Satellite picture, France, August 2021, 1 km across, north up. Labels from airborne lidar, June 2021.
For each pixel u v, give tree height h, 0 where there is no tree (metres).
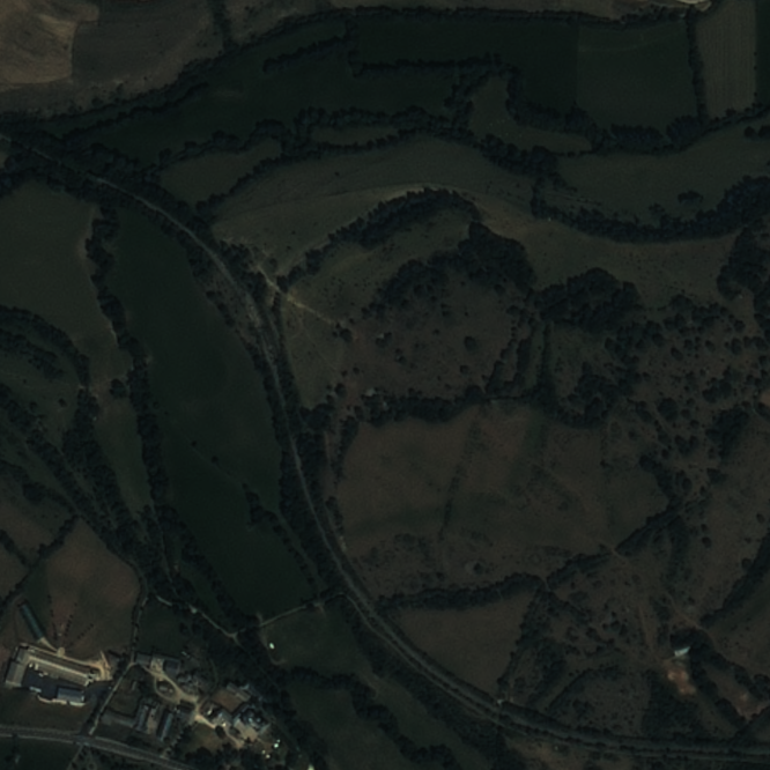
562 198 0
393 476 0
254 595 0
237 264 7
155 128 0
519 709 9
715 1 7
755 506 0
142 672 6
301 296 0
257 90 0
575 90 0
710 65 0
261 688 11
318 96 0
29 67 0
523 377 9
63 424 0
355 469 0
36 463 0
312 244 0
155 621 0
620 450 0
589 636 6
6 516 0
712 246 0
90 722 9
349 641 0
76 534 0
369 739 0
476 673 0
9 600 7
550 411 8
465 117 14
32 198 0
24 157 18
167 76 0
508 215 0
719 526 0
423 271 10
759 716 7
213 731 0
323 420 8
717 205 0
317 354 0
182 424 0
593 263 0
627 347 9
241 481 0
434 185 0
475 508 0
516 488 0
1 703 0
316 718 0
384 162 0
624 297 11
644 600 0
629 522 0
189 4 0
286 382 6
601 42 0
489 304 0
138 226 0
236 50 15
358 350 0
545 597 6
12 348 5
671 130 0
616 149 13
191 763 13
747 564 9
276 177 0
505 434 0
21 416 14
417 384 0
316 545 18
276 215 0
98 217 0
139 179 19
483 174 0
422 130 13
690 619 0
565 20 9
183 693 0
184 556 0
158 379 0
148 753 0
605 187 0
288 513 20
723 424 13
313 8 0
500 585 9
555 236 0
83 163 20
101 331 0
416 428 0
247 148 10
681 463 0
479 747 7
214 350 0
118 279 0
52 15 0
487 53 0
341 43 16
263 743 0
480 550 0
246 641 12
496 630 0
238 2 0
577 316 12
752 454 0
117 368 0
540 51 0
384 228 12
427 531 0
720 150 0
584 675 6
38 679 0
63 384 0
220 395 0
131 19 0
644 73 0
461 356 0
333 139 0
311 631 0
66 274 0
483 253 11
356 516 0
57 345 6
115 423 0
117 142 0
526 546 0
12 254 0
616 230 15
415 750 8
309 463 13
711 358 0
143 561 9
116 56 0
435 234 0
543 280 0
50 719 0
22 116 9
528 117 28
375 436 0
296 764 13
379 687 0
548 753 0
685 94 0
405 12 10
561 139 0
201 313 0
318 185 0
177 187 0
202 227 19
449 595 7
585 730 9
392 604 11
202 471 0
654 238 12
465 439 0
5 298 0
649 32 0
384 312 8
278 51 0
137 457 0
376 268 0
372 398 8
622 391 10
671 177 0
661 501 0
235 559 0
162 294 0
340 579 9
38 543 0
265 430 0
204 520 0
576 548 0
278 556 0
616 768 0
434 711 7
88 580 0
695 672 9
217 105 0
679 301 9
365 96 0
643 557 0
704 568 0
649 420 12
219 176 0
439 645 0
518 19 11
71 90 0
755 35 0
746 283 10
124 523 6
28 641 0
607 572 0
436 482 0
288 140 17
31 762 0
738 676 7
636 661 0
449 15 10
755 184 16
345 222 0
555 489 0
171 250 0
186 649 8
